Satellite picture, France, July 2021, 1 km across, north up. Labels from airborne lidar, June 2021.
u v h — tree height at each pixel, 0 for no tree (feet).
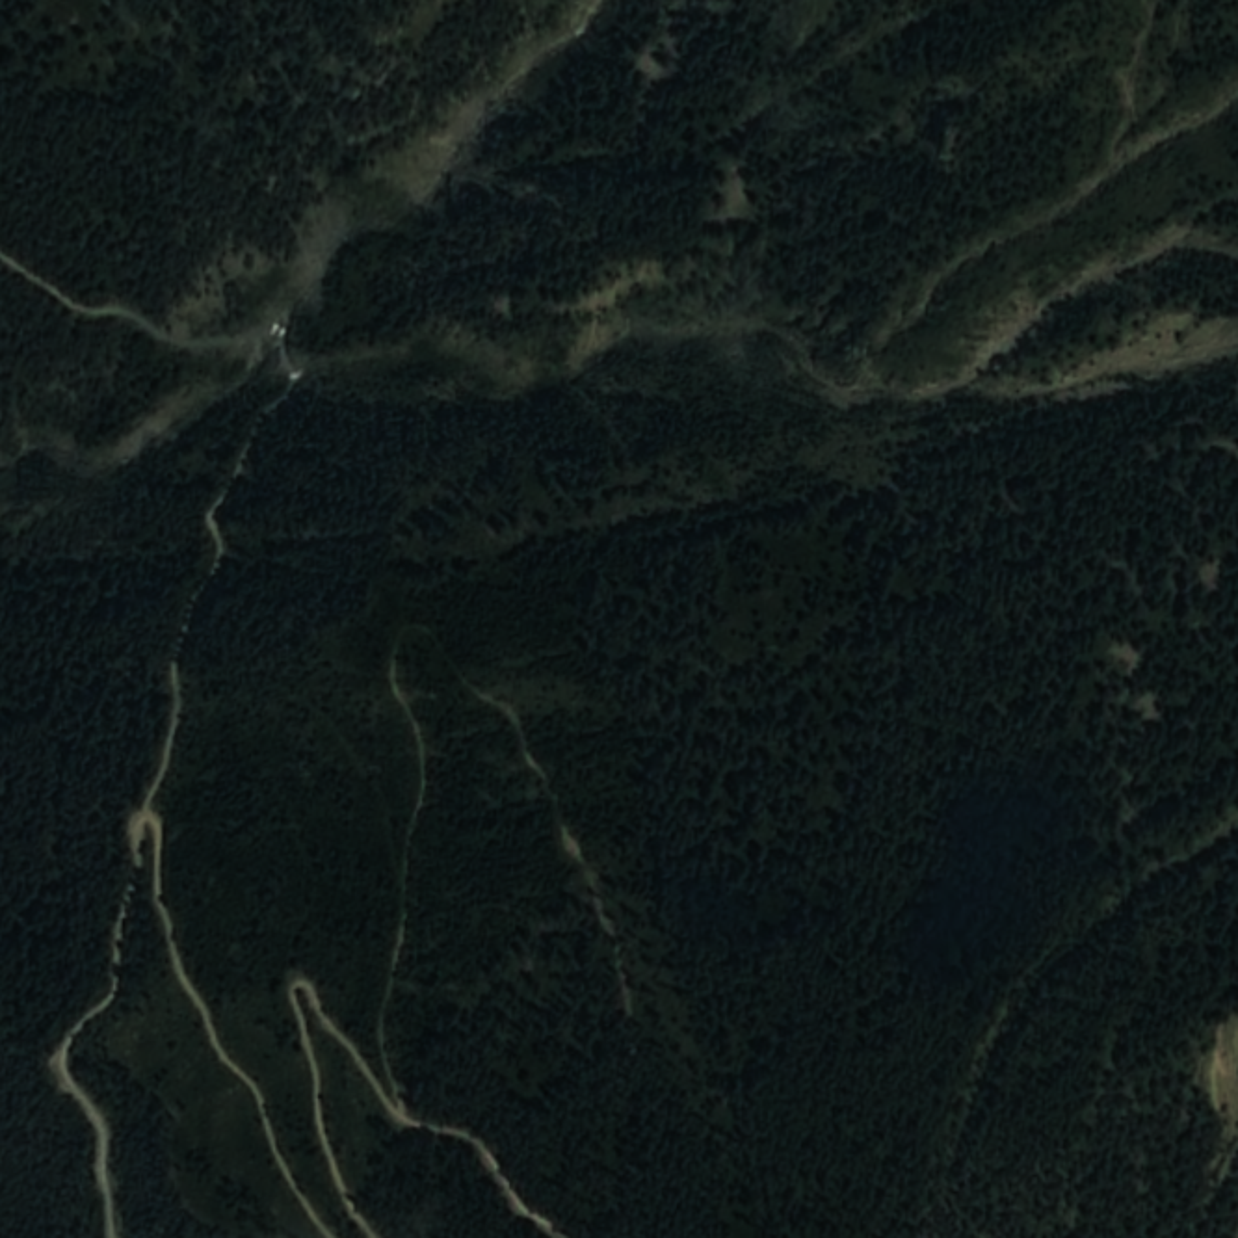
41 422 44
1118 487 56
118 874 39
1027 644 95
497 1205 87
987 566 70
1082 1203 33
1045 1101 72
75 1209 37
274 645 48
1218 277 23
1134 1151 38
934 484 87
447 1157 99
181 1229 43
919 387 0
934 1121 72
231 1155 0
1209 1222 21
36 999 91
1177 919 92
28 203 45
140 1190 30
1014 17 40
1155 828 77
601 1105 98
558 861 22
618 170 21
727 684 70
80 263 41
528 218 47
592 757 27
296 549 40
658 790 94
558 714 19
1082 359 0
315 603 44
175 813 20
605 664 94
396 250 19
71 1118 24
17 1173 28
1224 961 87
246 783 39
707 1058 25
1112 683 44
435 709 25
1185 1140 46
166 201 39
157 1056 0
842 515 67
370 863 39
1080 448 80
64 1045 0
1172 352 0
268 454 56
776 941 90
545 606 21
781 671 35
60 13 0
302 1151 20
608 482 55
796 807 69
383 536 66
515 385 0
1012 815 110
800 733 92
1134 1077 23
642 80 60
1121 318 29
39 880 45
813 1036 101
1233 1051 0
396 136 45
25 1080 21
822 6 0
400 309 40
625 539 42
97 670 57
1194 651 62
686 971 103
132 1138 24
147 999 33
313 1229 0
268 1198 0
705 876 96
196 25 68
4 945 83
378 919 22
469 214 42
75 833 46
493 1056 73
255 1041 0
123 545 40
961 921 116
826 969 101
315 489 44
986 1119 63
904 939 111
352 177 52
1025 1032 51
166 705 82
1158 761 34
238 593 86
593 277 29
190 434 23
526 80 0
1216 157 0
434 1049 85
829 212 60
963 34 41
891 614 95
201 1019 0
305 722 18
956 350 0
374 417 36
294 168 49
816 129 25
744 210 0
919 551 88
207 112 64
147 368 29
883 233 52
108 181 32
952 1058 84
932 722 87
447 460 88
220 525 50
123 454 0
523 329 36
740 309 69
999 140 58
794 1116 84
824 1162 102
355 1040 26
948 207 31
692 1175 90
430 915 23
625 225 67
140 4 86
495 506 0
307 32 24
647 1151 38
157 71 21
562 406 47
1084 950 27
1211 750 54
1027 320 0
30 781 50
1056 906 109
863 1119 94
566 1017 97
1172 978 99
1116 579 73
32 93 77
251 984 47
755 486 22
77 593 50
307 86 70
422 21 0
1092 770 81
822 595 26
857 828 99
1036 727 103
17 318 48
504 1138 91
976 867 95
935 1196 22
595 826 26
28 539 32
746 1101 74
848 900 101
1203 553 71
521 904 25
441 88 37
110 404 24
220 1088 0
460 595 30
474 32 30
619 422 26
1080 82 28
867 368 0
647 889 54
